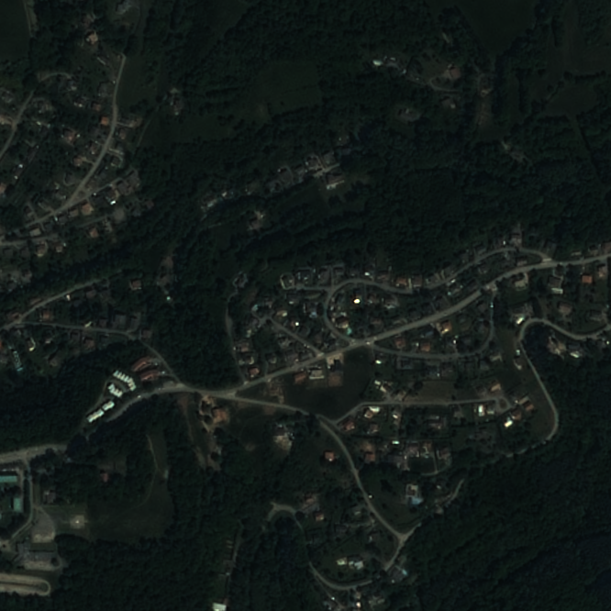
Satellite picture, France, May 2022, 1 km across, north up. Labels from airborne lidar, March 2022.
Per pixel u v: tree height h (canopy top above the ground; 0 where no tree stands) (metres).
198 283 20
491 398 0
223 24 0
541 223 18
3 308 7
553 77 0
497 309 17
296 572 23
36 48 16
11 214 9
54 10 23
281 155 0
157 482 0
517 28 0
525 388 0
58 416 27
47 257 0
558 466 21
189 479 25
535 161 16
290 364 0
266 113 0
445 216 8
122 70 0
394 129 0
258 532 20
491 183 33
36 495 0
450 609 27
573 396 24
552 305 7
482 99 24
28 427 27
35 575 0
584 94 0
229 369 25
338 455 0
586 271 0
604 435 29
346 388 0
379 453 8
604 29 9
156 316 18
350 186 0
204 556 21
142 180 12
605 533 15
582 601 24
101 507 0
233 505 24
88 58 0
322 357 0
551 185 28
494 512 9
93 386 25
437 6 0
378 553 15
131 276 19
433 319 0
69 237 8
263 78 0
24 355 8
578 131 0
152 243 21
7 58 0
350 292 0
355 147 14
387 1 14
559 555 24
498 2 0
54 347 9
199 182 29
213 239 18
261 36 10
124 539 0
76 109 0
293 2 17
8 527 0
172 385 0
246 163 28
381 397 0
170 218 25
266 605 25
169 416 18
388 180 17
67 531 0
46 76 0
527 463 11
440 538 22
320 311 14
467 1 0
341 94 20
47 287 23
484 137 0
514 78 0
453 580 26
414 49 13
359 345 0
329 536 10
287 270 0
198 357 20
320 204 0
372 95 27
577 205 25
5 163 0
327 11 18
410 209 20
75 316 15
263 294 7
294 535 25
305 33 16
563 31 15
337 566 0
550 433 0
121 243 0
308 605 21
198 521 14
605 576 0
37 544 0
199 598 18
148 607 19
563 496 24
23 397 15
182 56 8
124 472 0
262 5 14
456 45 0
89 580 19
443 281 0
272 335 8
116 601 22
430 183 10
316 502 0
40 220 0
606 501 19
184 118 7
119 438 23
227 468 23
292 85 0
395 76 15
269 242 18
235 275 0
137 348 11
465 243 8
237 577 18
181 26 23
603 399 24
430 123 19
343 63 23
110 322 9
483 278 0
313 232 15
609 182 19
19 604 26
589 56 0
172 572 18
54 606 19
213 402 0
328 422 0
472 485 7
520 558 27
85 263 0
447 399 0
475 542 19
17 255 7
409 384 0
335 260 6
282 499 15
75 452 20
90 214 0
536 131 16
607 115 26
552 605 24
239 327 15
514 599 10
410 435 15
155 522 0
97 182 0
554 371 21
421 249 11
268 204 12
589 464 29
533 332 15
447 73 0
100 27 16
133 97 0
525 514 19
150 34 14
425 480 8
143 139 0
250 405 0
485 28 0
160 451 0
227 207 19
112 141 0
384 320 9
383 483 0
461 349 17
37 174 0
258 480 6
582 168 26
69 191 0
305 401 0
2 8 0
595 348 8
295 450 8
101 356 15
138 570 17
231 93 15
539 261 0
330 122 28
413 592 7
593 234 26
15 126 0
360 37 21
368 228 11
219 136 0
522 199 26
